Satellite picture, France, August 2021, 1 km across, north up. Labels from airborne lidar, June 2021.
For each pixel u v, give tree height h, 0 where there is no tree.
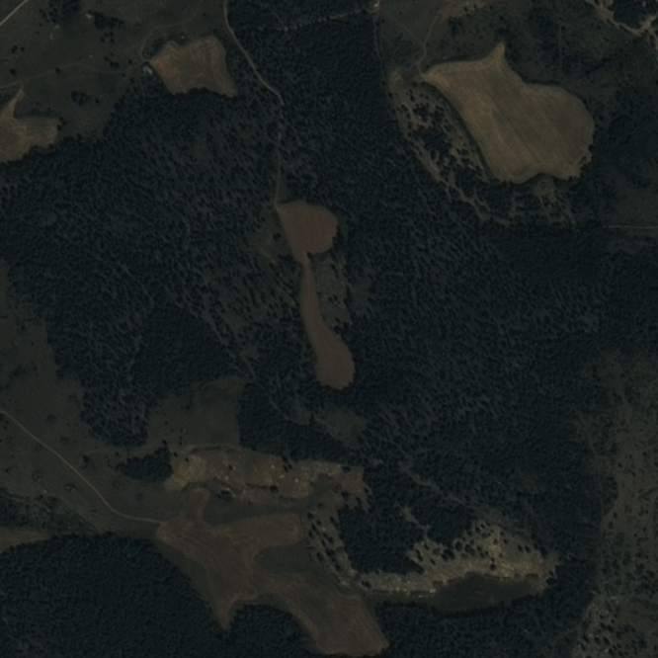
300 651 14
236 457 0
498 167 0
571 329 9
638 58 0
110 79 0
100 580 13
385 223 9
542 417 7
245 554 0
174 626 12
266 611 10
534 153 0
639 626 0
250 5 12
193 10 0
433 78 0
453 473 6
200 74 0
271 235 0
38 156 11
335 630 0
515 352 10
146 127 17
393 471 13
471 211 11
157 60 0
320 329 0
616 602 0
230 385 0
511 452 8
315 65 11
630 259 7
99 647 8
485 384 11
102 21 12
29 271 7
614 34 0
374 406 13
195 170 12
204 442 0
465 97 0
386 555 13
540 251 13
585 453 8
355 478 0
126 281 14
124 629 12
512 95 0
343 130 10
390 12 0
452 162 7
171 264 9
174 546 0
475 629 8
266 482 0
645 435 0
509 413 11
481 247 15
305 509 0
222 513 0
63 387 0
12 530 0
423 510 11
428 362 14
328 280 0
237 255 15
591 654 0
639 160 0
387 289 10
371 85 7
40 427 0
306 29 7
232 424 0
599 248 11
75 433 0
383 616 6
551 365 11
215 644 14
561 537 9
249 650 13
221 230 11
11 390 0
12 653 10
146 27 0
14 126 0
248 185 15
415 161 9
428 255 14
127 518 0
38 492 0
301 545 0
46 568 9
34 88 0
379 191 11
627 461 0
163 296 9
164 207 10
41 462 0
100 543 10
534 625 10
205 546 0
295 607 0
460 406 9
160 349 7
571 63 13
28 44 0
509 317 14
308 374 7
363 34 7
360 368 17
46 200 8
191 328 9
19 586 11
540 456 10
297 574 0
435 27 0
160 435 0
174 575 14
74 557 9
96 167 9
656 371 0
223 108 13
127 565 11
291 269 12
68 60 0
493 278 10
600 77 0
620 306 10
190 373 6
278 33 10
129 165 14
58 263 7
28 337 0
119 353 10
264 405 7
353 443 0
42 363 0
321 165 13
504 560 0
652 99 7
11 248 8
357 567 7
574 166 0
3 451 0
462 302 13
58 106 0
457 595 0
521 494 10
